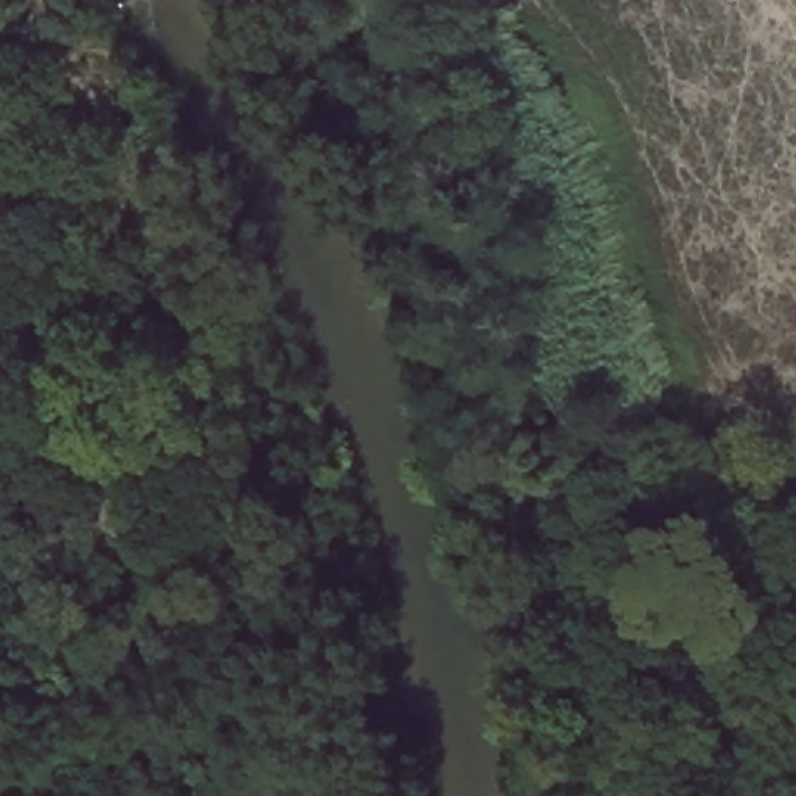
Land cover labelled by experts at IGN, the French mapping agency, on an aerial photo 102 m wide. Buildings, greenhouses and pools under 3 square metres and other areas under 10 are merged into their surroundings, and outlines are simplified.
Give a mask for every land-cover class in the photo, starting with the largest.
<instances>
[{"label":"deciduous trees","instance_id":"1","mask_svg":"<svg viewBox=\"0 0 796 796\"><path fill-rule=\"evenodd\" d=\"M519 0H190V12L199 22L202 37L208 44L199 62V78L208 90L224 87L233 93V112L227 127L211 131L202 118H177L171 90L162 81H155L152 68L137 65L134 47L115 40V31L124 16L118 0H0V796H423L426 771H442L445 762L438 697L429 687L417 690L414 681L404 675L398 662L401 641L389 619L382 591L367 581H354L373 560V547L379 538L376 525L364 519L351 504L354 476L348 473L351 454L345 448V435L323 423L320 370L308 364L302 348L305 330L314 326V317L302 308L299 289H286L280 299L274 289L271 258L283 249V239L274 233L267 215L277 211L283 202L305 221L308 239L314 246L336 243L345 249L351 283L376 317L379 348L395 379V410L401 417L404 435L398 476L410 501L426 507V519L432 525L426 569L429 578L445 591L451 609L473 628V662L485 675L482 737L494 749V796H796V389L790 392V386L777 379V373L768 364H762L743 373L740 379H731L718 395H697L684 389L700 370L693 345L687 342L684 320L678 317V302L662 283L659 264L647 246L644 221L637 215L644 202L656 199V190L637 159V140H625L606 103L591 90L578 59L560 47V40L544 25L516 19L510 6H516Z\"/></svg>","mask_w":796,"mask_h":796},{"label":"herbaceous vegetation","instance_id":"2","mask_svg":"<svg viewBox=\"0 0 796 796\"><path fill-rule=\"evenodd\" d=\"M516 19L544 25L560 40V47L578 59L591 90L606 103L625 140H637V159L656 190V199L644 202L637 215L644 221L647 246L659 264L662 283L678 302V317L684 320L687 342L693 345L700 370L684 389L697 395H718L731 379H740L743 373L762 364H768L777 373V379L790 386V392L796 389V0H519L516 6H510Z\"/></svg>","mask_w":796,"mask_h":796},{"label":"water","instance_id":"3","mask_svg":"<svg viewBox=\"0 0 796 796\"><path fill-rule=\"evenodd\" d=\"M124 16L115 31V40L134 47L137 65L152 68L155 81H162L171 90L177 118H202L211 131L227 127L233 112V93L224 87L208 90L199 78V62L208 44L202 37L199 22L190 12V0H118ZM274 233L283 239V249L271 258L274 289L280 299L286 289H299L302 308L314 317V326L305 330L302 348L308 364L320 370L323 423L345 435V448L351 454L348 473L354 476L351 504L364 519L376 525L379 538L373 547V560L354 581H367L382 591L389 619L401 641L398 662L404 675L414 681L417 690L429 687L438 697L445 762L442 771H426L423 796H494V749L482 737L485 675L473 662V628L451 609L445 591L429 578L426 569L432 525L426 519V507L410 501L398 476L404 435L401 417L395 410V379L379 348L376 317L351 283L345 249L336 243L314 246L308 239L305 221L283 202L277 211L267 215Z\"/></svg>","mask_w":796,"mask_h":796}]
</instances>
